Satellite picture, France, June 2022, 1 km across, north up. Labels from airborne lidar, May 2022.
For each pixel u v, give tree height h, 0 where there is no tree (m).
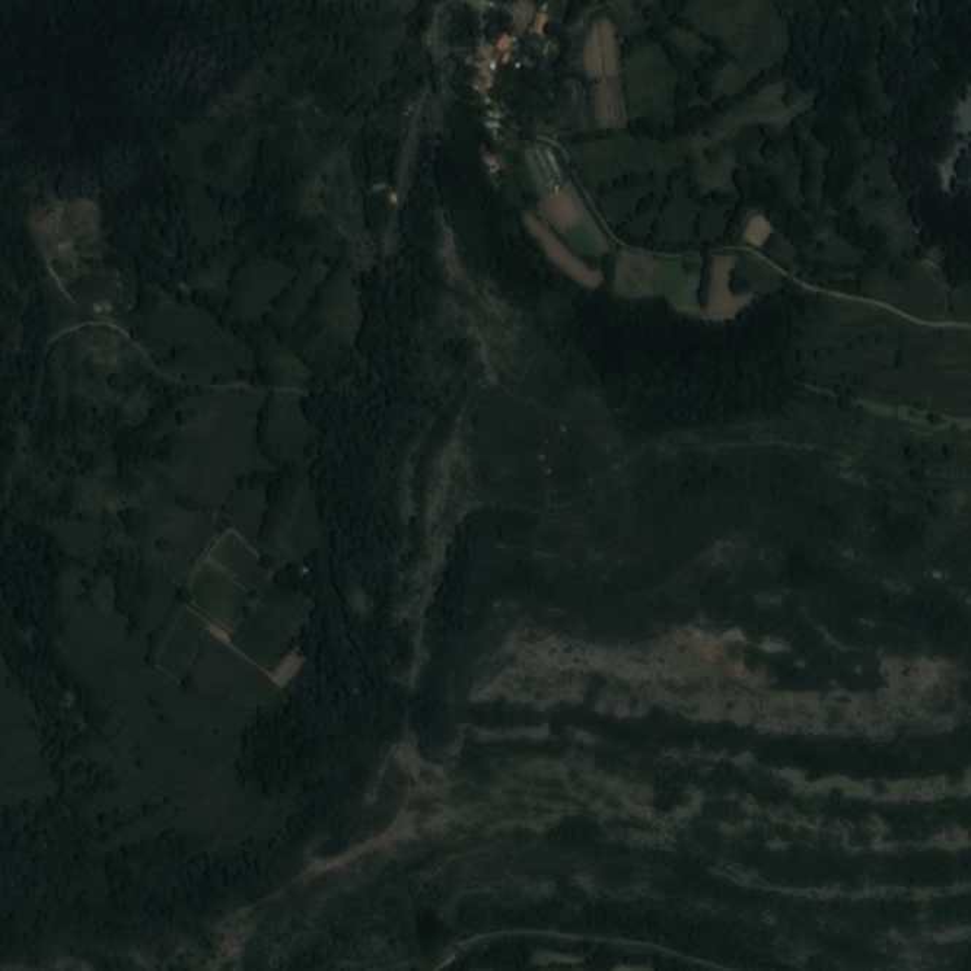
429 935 13
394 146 9
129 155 27
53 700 20
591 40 0
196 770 0
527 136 10
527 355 0
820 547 0
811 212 13
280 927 0
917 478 12
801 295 9
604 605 0
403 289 7
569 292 8
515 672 0
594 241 0
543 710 0
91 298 0
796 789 0
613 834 0
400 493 6
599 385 9
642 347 16
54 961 0
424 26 13
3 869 7
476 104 7
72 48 24
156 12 18
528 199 10
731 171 0
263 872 10
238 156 0
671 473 0
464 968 15
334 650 14
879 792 0
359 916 6
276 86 0
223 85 7
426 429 7
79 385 0
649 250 14
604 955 15
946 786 0
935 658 0
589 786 0
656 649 0
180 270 20
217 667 0
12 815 12
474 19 9
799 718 0
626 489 0
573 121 0
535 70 5
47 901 7
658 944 9
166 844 7
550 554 0
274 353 0
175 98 10
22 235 6
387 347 11
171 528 0
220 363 0
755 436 0
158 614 0
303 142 0
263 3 11
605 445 0
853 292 8
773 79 13
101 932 6
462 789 0
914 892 0
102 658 0
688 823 0
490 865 0
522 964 11
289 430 0
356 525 7
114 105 21
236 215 18
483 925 7
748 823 0
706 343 22
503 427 0
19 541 6
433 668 0
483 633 0
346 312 0
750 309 14
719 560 0
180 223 19
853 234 16
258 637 0
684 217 0
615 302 12
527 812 0
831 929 7
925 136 15
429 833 0
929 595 0
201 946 7
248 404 0
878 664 0
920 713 0
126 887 10
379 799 0
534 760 0
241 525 0
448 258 0
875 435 0
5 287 6
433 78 10
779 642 0
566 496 0
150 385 7
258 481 12
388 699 9
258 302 0
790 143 13
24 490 8
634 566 0
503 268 16
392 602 8
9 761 0
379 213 13
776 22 0
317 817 8
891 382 0
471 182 17
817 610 0
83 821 7
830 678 0
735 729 0
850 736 0
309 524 0
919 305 0
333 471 12
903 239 0
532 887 0
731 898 0
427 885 9
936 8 12
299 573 10
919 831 0
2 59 22
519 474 0
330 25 11
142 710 0
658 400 8
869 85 11
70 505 6
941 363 0
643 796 0
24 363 12
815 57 21
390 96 11
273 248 12
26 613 17
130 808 0
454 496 0
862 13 19
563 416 0
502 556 0
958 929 0
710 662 0
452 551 8
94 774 12
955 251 6
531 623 0
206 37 10
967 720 0
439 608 10
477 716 0
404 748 0
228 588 0
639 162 0
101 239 0
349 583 7
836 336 0
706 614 0
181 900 10
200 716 0
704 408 9
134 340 11
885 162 0
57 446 7
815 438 0
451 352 10
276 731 10
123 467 8
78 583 0
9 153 15
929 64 17
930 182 12
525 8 0
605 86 0
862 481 0
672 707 0
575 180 6
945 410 0
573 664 0
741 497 0
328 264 10
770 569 0
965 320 0
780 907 6
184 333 0
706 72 19
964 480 0
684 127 15
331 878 0
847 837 0
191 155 0
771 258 11
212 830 0
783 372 8
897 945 0
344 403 11
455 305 0
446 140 9
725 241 13
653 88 0
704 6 0
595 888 0
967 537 0
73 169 20
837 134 21
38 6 24
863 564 0
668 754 0
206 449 0
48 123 21
